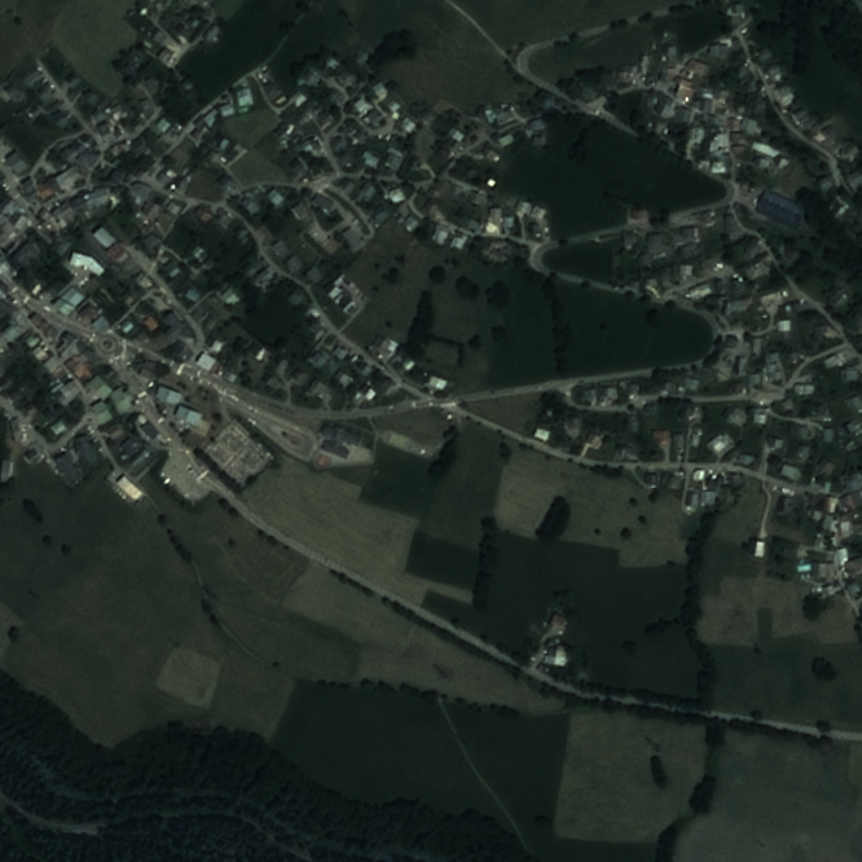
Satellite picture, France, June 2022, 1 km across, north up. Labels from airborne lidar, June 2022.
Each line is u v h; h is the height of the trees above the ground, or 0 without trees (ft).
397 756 0
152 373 0
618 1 0
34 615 0
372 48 0
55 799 85
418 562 0
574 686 37
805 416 19
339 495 0
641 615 0
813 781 0
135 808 66
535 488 0
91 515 0
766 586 0
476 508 0
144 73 37
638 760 0
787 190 0
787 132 51
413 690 38
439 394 19
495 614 0
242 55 0
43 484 0
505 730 0
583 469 31
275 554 0
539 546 0
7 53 0
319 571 0
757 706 0
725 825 0
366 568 0
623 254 30
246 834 85
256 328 0
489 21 0
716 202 0
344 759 0
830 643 0
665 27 0
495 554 56
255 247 26
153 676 0
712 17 0
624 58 0
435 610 0
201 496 0
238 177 0
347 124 19
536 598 0
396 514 0
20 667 0
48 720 76
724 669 0
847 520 0
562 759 0
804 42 72
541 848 0
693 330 0
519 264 48
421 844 75
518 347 0
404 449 0
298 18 0
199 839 45
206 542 0
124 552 0
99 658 0
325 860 109
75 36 0
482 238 38
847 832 0
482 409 0
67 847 58
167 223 0
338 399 0
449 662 0
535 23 0
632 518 0
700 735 0
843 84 0
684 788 0
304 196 25
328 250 0
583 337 0
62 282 18
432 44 0
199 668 0
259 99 0
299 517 0
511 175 0
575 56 0
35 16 0
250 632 0
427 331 59
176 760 44
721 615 0
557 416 37
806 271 30
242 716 0
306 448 0
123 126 23
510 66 29
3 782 98
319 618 0
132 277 19
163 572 0
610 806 0
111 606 0
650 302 50
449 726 0
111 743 0
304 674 0
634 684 0
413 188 31
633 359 0
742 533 0
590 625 0
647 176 0
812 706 0
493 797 0
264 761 72
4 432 0
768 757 0
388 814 74
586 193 0
